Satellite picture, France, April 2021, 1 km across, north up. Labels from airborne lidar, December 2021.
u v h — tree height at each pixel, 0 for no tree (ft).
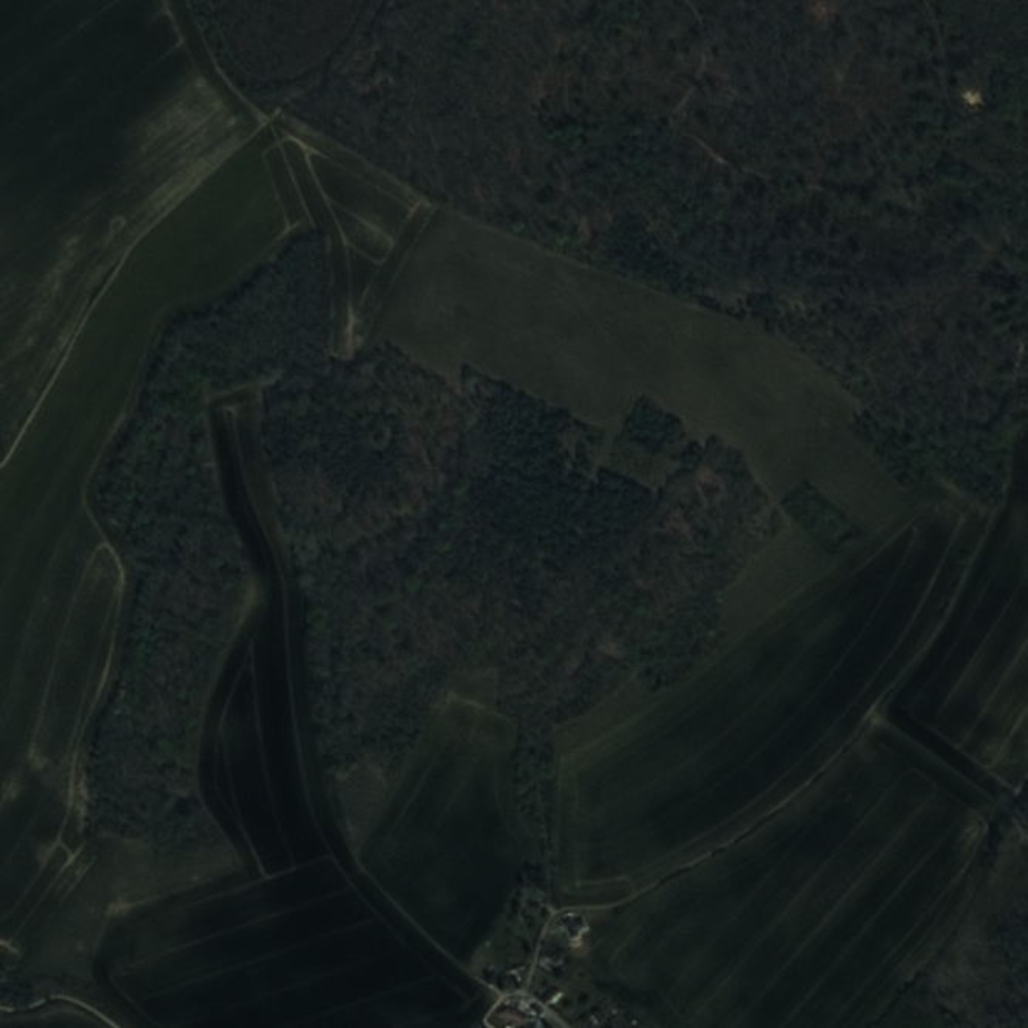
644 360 0
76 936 0
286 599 0
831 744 0
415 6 59
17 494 0
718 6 48
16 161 0
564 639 58
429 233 0
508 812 0
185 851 26
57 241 0
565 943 0
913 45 46
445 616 67
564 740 0
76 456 0
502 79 71
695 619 42
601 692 59
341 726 80
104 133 0
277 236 0
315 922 0
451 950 0
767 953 0
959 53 23
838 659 0
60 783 0
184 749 79
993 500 71
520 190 69
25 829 0
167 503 48
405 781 0
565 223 77
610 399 0
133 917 0
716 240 72
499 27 67
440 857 0
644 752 0
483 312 0
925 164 43
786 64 55
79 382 0
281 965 0
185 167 0
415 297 0
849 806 0
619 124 23
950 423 67
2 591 0
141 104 0
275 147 0
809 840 0
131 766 69
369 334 0
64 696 0
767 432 0
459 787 0
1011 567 0
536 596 51
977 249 105
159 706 84
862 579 0
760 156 72
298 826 0
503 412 38
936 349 20
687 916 0
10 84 0
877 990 0
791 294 47
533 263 0
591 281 0
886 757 0
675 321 0
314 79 26
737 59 58
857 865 0
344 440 36
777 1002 0
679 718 0
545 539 52
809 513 31
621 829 0
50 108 0
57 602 0
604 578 50
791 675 0
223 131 0
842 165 80
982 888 0
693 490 55
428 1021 0
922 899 0
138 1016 0
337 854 0
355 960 0
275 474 51
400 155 69
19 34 0
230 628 37
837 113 19
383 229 0
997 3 55
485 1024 0
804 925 0
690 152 23
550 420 35
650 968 0
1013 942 82
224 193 0
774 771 0
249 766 0
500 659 58
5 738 0
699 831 0
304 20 44
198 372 76
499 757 0
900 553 0
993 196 73
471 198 75
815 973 0
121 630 0
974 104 0
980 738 0
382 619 63
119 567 0
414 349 0
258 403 0
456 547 45
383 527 59
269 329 65
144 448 38
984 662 0
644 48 19
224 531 72
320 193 0
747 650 0
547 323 0
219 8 24
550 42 73
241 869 0
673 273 33
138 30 0
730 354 0
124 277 0
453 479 64
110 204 0
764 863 0
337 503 23
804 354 33
